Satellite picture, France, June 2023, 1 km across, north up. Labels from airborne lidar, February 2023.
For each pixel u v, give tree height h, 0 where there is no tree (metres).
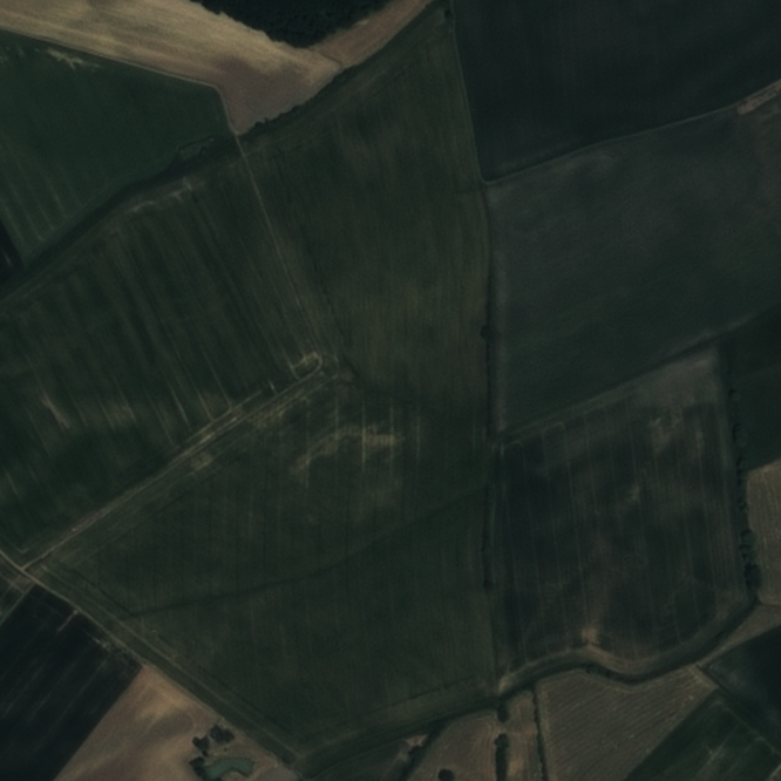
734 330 0
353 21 16
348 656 0
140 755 0
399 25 0
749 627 0
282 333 0
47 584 0
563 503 0
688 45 0
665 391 0
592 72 0
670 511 0
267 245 0
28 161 0
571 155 0
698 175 0
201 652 0
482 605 0
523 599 0
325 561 0
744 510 12
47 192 0
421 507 0
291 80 0
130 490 0
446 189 0
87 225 0
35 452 0
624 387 0
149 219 0
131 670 0
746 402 0
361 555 0
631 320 0
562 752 0
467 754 0
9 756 0
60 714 0
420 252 0
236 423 0
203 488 0
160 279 0
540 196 0
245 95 0
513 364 0
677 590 0
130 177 0
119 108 0
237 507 0
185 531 0
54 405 0
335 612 0
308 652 0
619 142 0
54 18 0
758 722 0
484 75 0
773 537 0
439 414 0
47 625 0
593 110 0
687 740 0
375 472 0
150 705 0
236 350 0
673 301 0
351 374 0
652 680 0
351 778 0
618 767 0
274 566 0
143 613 0
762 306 0
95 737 0
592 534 0
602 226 0
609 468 0
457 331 0
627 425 0
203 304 0
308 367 0
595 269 0
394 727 0
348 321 0
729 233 0
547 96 0
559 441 0
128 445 0
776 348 0
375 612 0
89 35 0
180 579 0
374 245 0
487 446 0
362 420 0
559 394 0
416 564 0
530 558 0
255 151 0
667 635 0
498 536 0
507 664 0
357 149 0
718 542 0
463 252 0
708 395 0
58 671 0
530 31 0
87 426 0
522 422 0
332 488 0
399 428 0
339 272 0
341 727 0
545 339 0
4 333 0
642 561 0
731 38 0
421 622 0
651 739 0
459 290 0
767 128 0
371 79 0
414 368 0
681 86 0
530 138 0
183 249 0
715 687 0
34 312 0
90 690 0
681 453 0
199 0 10
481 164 0
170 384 0
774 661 0
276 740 0
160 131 0
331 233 0
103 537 0
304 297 0
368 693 0
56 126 0
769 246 0
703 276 0
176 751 0
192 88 0
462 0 0
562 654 0
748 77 0
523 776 0
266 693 0
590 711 0
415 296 0
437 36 0
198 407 0
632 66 0
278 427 0
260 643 0
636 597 0
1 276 0
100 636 0
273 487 0
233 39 0
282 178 0
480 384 0
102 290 0
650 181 0
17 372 0
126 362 0
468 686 0
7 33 0
